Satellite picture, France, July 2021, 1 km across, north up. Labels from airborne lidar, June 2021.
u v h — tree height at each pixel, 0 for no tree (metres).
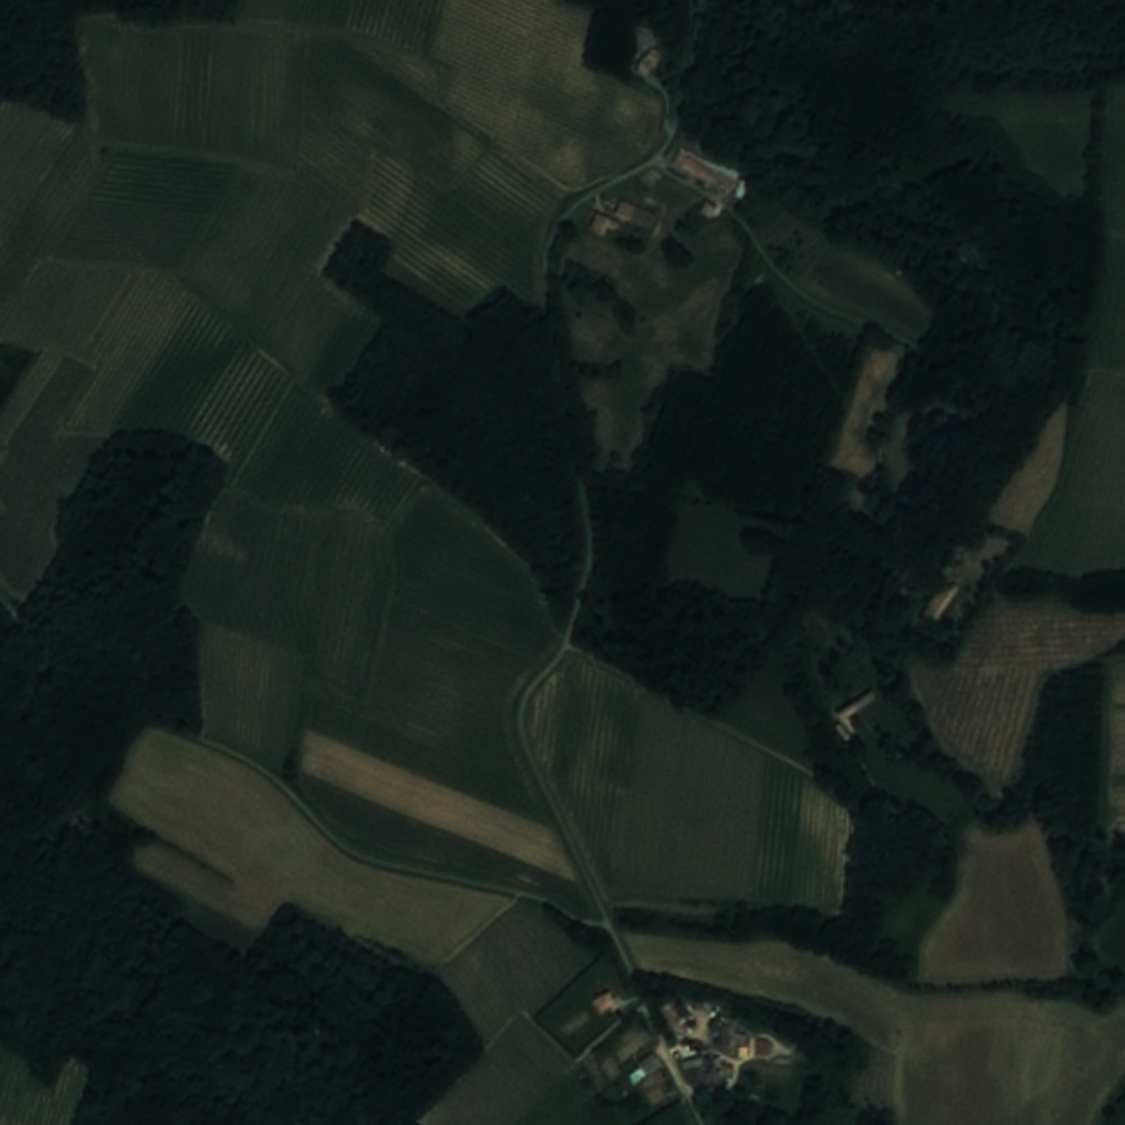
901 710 9
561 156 0
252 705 0
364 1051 13
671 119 7
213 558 0
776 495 10
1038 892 0
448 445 15
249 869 0
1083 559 0
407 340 16
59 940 22
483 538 0
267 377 0
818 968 0
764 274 0
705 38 7
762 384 11
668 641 22
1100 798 8
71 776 27
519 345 18
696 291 0
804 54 19
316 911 0
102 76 0
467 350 14
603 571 12
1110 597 14
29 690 24
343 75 0
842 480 24
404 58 0
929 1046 0
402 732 0
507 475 15
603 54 12
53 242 0
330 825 0
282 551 0
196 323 0
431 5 0
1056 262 14
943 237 18
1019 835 0
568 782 0
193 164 0
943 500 33
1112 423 0
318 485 0
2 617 11
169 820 0
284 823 0
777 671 0
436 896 0
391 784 0
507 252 0
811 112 16
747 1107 15
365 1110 28
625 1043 0
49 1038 19
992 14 22
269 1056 28
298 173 0
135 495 8
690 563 0
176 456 8
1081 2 24
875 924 12
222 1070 29
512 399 17
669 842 0
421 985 11
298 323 0
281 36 0
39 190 0
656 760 0
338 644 0
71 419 0
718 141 16
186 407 0
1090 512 0
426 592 0
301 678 0
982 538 18
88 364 0
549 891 0
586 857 0
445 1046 21
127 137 0
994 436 37
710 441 13
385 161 0
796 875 0
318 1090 21
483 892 0
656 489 12
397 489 0
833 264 0
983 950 0
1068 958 0
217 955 17
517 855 0
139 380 0
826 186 20
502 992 0
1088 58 15
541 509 15
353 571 0
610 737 0
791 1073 0
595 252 0
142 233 0
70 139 0
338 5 0
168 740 0
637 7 14
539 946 0
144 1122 18
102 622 19
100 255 0
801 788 0
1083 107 0
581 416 16
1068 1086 0
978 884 0
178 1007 27
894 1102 0
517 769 0
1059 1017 0
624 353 0
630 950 0
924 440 21
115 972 29
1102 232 9
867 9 17
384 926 0
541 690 0
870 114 15
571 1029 0
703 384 11
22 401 0
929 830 21
